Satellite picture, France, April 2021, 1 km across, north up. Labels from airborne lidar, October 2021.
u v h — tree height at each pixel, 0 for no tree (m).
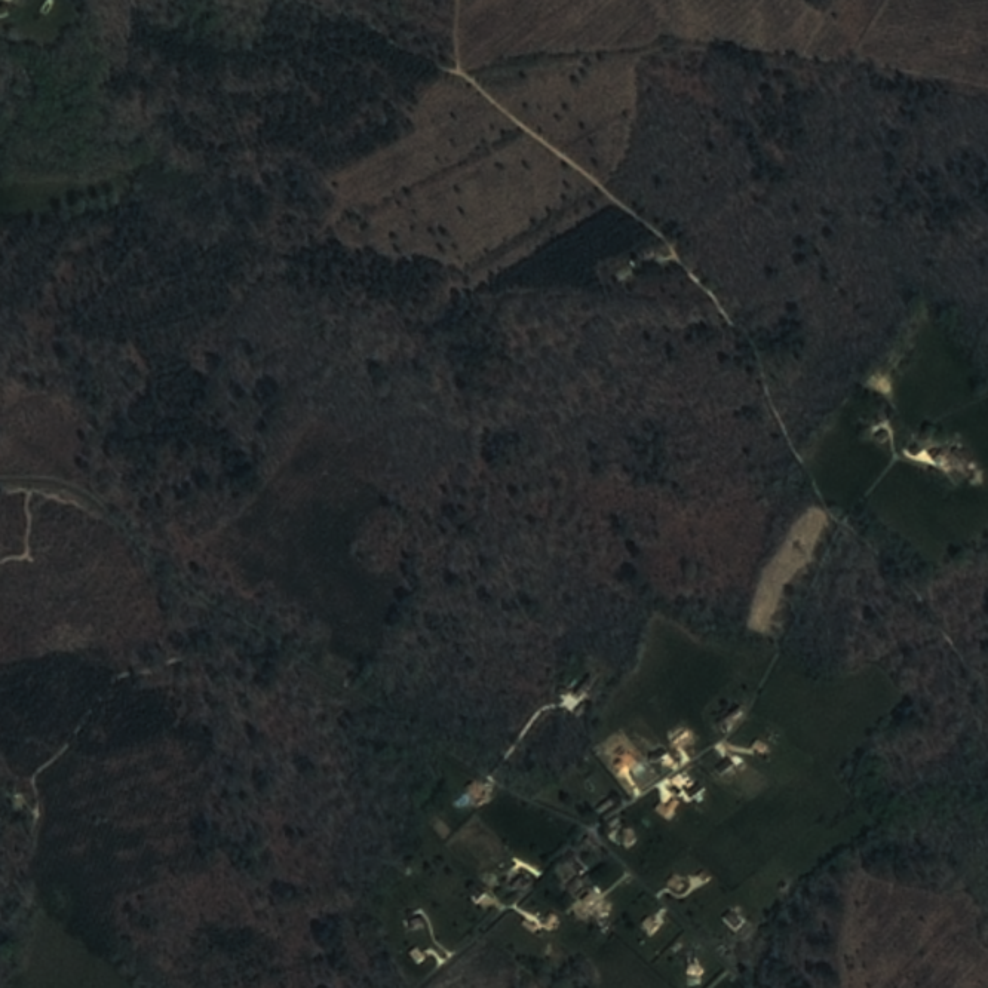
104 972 0
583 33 0
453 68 6
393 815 14
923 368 0
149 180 10
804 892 15
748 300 8
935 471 6
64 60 23
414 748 21
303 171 11
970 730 14
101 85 17
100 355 12
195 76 13
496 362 23
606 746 0
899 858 19
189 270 15
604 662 11
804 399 6
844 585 20
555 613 10
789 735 0
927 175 10
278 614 12
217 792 22
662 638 0
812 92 11
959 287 10
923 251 8
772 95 15
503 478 10
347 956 18
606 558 12
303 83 15
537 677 7
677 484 9
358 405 14
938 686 8
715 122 12
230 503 9
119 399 12
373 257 14
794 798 0
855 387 15
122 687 7
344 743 12
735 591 9
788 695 0
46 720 6
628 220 8
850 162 16
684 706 0
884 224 11
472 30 0
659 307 14
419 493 7
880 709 0
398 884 13
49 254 13
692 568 16
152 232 15
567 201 7
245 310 13
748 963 12
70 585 0
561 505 10
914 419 0
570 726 16
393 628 16
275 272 9
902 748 17
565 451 8
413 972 0
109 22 17
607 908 0
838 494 0
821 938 15
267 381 10
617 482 7
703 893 0
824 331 7
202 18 8
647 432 11
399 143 12
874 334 9
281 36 11
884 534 16
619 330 14
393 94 12
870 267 10
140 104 17
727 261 6
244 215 11
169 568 17
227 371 20
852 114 13
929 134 12
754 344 11
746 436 8
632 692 0
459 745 19
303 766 16
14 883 6
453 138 0
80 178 24
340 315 12
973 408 0
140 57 13
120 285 10
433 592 8
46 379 8
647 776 0
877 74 16
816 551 0
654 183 8
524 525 16
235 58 15
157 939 7
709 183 13
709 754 0
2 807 9
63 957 0
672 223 6
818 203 8
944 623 11
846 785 10
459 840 0
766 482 9
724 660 0
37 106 26
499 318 12
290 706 8
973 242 11
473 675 19
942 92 12
